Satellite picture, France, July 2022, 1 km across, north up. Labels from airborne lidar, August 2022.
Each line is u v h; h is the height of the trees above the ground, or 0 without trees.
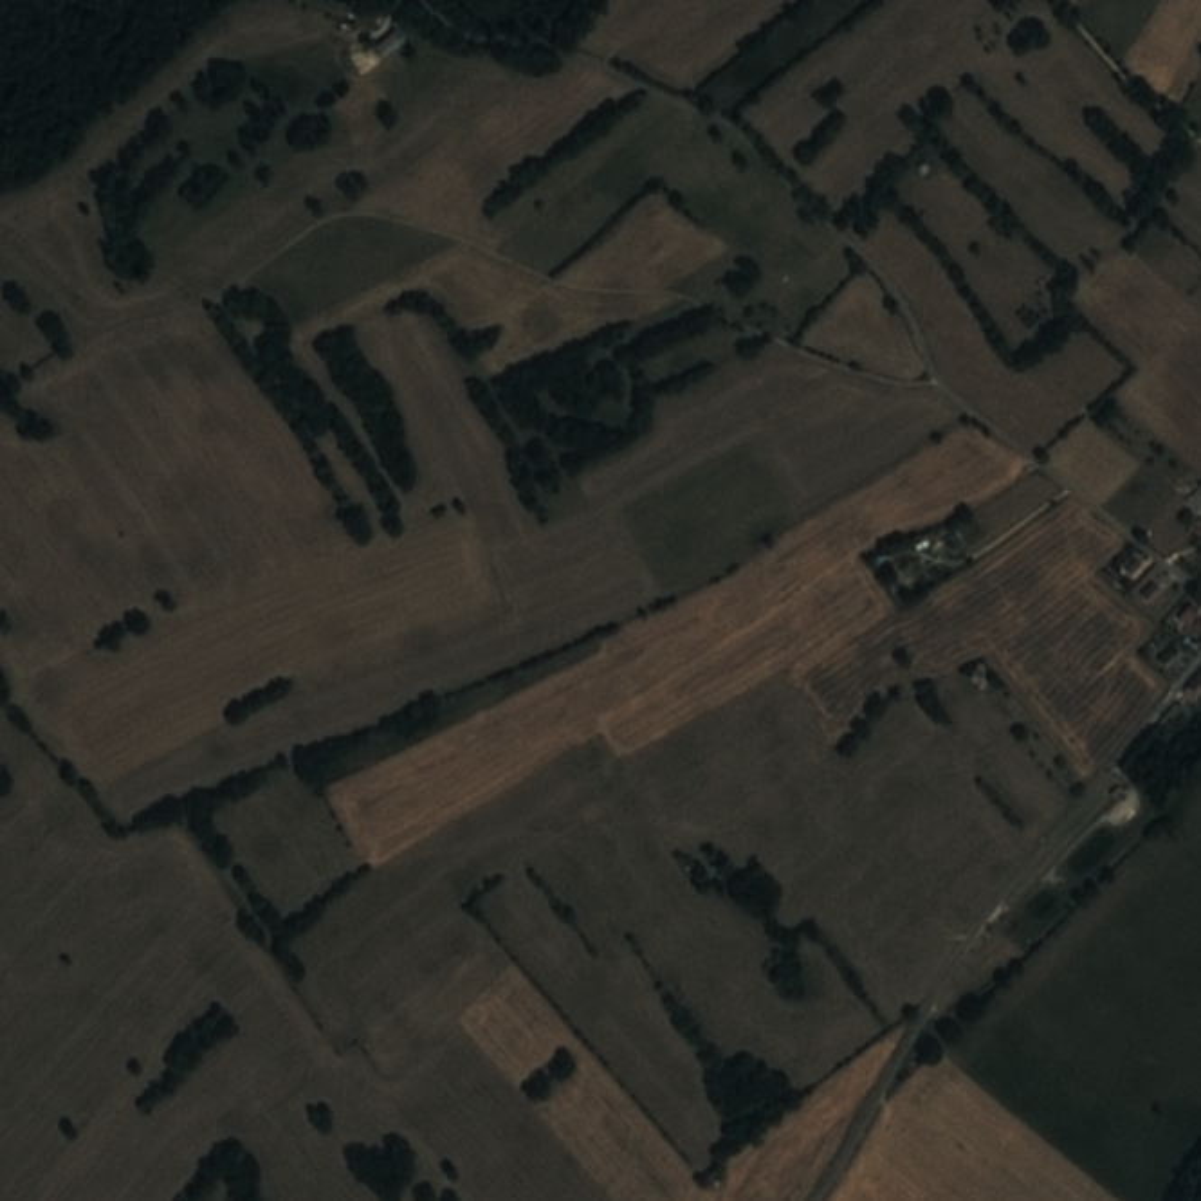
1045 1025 0
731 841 0
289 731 0
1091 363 0
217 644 0
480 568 0
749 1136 18
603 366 14
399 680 0
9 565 0
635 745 0
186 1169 0
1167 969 0
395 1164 17
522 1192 0
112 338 0
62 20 18
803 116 0
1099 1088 0
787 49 0
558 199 0
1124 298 0
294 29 0
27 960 0
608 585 0
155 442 0
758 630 0
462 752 0
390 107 13
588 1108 0
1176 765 13
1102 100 0
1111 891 0
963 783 0
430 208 0
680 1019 15
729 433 0
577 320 0
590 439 15
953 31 0
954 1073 0
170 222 0
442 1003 0
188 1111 0
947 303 0
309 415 16
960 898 0
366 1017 0
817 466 0
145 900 0
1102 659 0
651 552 0
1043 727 0
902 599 13
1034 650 0
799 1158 0
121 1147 0
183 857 0
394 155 0
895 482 0
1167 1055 0
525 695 0
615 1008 0
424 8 16
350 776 0
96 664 0
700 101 15
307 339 0
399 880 0
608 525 0
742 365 0
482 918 7
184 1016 0
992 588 0
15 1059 0
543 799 0
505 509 0
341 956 0
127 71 21
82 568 0
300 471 0
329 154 0
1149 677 0
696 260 0
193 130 0
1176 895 0
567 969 0
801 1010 0
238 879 11
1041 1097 0
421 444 0
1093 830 0
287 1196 0
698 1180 9
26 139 15
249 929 15
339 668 0
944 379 0
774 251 0
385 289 0
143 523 0
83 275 0
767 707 0
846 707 0
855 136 0
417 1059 0
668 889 0
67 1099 0
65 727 0
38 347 0
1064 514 0
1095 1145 0
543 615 0
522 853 0
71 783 11
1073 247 0
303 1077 0
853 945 0
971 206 0
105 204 15
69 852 0
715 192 0
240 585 0
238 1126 0
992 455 0
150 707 0
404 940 0
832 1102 0
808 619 0
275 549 0
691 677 0
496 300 0
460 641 0
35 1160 0
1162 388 0
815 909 0
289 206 0
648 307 0
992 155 0
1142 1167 0
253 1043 0
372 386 15
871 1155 0
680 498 0
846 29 6
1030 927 0
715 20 0
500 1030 0
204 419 0
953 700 0
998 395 0
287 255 0
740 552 0
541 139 0
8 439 0
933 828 0
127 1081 0
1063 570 0
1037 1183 0
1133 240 11
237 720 12
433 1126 0
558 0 16
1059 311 6
